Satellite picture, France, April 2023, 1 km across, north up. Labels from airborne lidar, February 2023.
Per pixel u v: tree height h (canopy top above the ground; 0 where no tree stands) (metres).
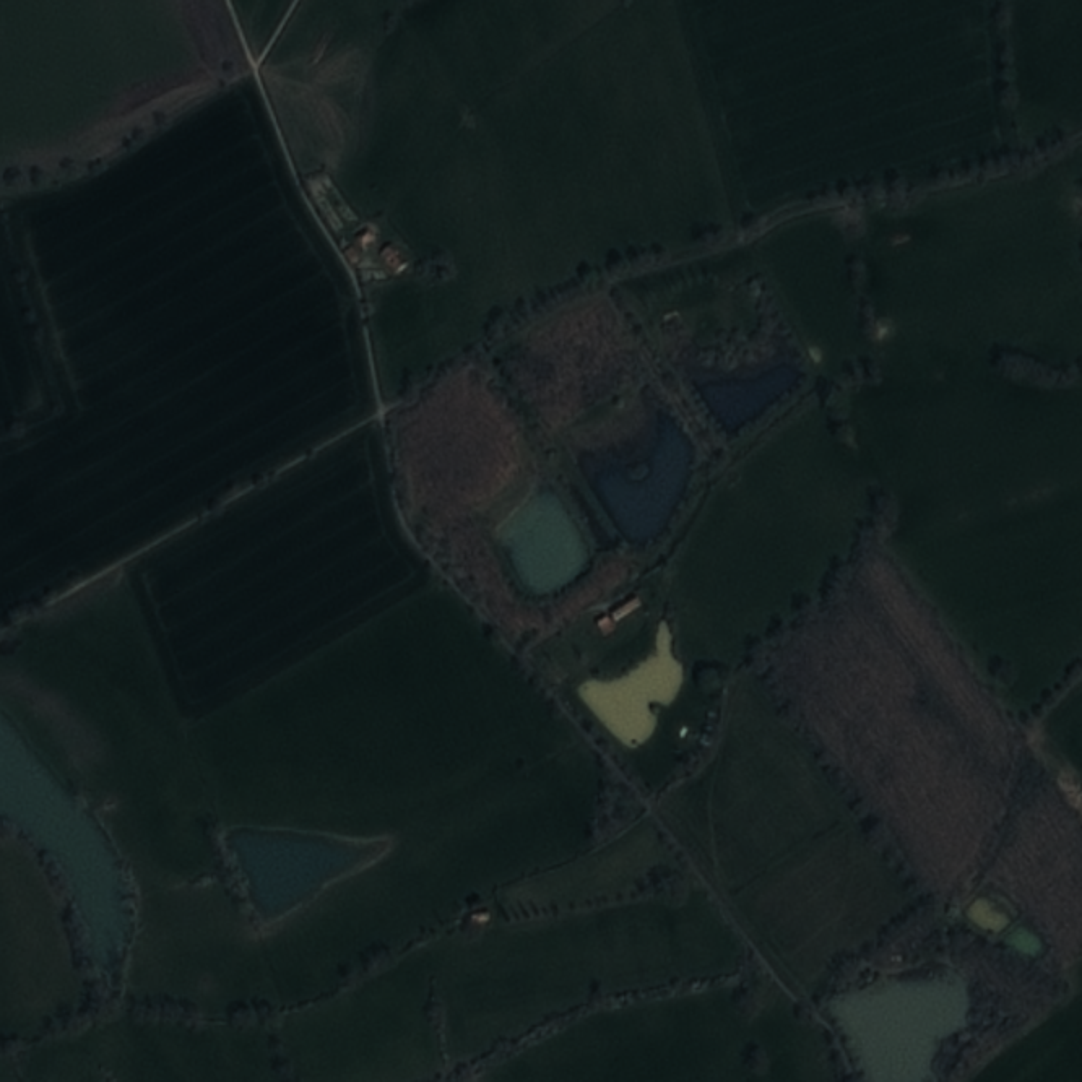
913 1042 0
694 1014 0
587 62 0
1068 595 0
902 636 22
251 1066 0
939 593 0
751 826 0
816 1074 0
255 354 0
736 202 0
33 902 0
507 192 0
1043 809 17
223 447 0
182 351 0
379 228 0
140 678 0
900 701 20
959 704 23
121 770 0
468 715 0
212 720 0
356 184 0
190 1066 0
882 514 23
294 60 0
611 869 0
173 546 0
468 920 8
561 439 0
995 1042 13
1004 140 0
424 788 0
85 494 0
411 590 0
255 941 0
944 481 0
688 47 0
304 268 0
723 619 0
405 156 0
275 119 0
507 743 0
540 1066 0
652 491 0
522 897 0
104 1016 23
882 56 0
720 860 0
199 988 0
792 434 0
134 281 0
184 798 0
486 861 0
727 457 12
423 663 0
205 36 0
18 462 0
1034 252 0
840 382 0
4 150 0
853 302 0
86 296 0
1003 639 0
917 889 19
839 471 0
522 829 0
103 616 0
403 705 0
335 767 0
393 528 0
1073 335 0
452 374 13
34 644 0
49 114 0
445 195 0
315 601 0
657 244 0
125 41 0
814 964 0
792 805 0
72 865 0
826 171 0
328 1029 0
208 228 0
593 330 7
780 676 16
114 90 0
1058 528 0
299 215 0
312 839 0
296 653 0
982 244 0
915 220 0
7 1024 0
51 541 0
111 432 0
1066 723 0
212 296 0
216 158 0
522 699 0
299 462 0
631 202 0
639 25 0
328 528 0
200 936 0
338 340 0
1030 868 17
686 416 7
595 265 0
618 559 8
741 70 0
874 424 0
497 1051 12
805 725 12
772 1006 0
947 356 0
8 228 0
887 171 0
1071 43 0
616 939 0
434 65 0
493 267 0
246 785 0
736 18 0
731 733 0
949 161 0
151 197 0
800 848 0
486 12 0
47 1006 0
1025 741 14
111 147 0
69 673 0
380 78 0
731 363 12
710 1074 0
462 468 13
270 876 0
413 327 0
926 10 0
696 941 0
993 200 0
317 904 0
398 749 0
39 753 0
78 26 0
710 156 0
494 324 14
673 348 0
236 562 0
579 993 0
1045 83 0
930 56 0
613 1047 0
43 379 0
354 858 0
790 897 0
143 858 0
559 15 0
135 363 0
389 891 0
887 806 19
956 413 0
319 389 0
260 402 0
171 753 0
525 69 0
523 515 0
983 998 11
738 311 0
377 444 0
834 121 0
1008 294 0
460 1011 0
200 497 0
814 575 0
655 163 0
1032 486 0
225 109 0
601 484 0
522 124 0
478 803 0
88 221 0
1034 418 0
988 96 0
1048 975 12
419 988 0
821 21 0
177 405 0
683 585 0
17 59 0
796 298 0
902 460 0
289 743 0
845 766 17
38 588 0
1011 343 0
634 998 7
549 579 0
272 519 0
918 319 0
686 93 0
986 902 0
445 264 13
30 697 0
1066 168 0
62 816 0
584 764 0
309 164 0
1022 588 0
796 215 0
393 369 0
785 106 0
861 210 13
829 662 18
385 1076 0
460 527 11
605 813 16
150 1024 14
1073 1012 0
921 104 0
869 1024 0
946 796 19
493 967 0
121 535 0
